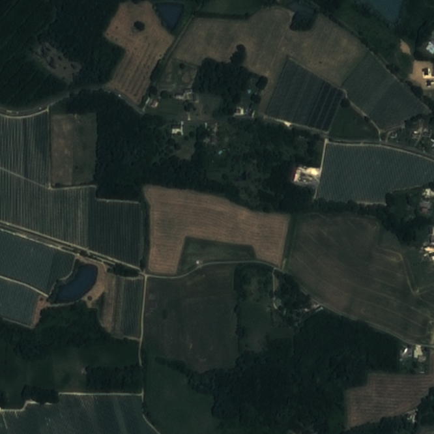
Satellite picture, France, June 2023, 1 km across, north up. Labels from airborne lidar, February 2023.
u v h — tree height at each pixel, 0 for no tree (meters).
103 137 11
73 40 25
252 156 9
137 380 21
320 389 20
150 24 0
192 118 0
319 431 17
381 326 0
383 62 0
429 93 0
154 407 0
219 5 0
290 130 6
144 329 0
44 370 0
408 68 0
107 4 28
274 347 7
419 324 0
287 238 0
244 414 24
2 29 11
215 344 0
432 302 0
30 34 6
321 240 0
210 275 0
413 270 0
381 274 0
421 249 0
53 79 9
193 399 0
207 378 14
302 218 0
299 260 0
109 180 21
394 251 0
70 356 0
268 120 0
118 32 0
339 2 9
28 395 19
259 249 0
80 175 0
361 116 0
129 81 0
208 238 0
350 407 0
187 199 0
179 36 0
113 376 9
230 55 0
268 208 9
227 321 0
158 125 10
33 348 10
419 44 12
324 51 0
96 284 0
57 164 0
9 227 0
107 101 14
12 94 6
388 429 23
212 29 0
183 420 0
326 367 24
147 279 0
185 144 0
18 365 0
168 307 0
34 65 8
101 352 0
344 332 11
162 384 0
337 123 0
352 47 0
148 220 9
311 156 8
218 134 6
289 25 0
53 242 0
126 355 0
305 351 14
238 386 26
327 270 0
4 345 0
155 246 0
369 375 0
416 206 11
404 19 8
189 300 0
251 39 0
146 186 0
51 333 7
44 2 8
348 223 0
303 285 0
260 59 0
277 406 27
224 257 0
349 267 0
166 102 0
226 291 0
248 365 22
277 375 29
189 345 0
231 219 0
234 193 7
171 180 16
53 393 19
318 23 0
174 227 0
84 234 0
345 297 0
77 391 0
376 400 0
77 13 28
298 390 13
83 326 6
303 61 0
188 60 0
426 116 6
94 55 15
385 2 0
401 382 0
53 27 17
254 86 0
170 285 0
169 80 0
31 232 0
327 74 0
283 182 8
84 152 0
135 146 15
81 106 15
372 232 0
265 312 0
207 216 0
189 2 0
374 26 0
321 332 9
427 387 0
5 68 10
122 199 14
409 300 0
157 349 0
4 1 16
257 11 0
